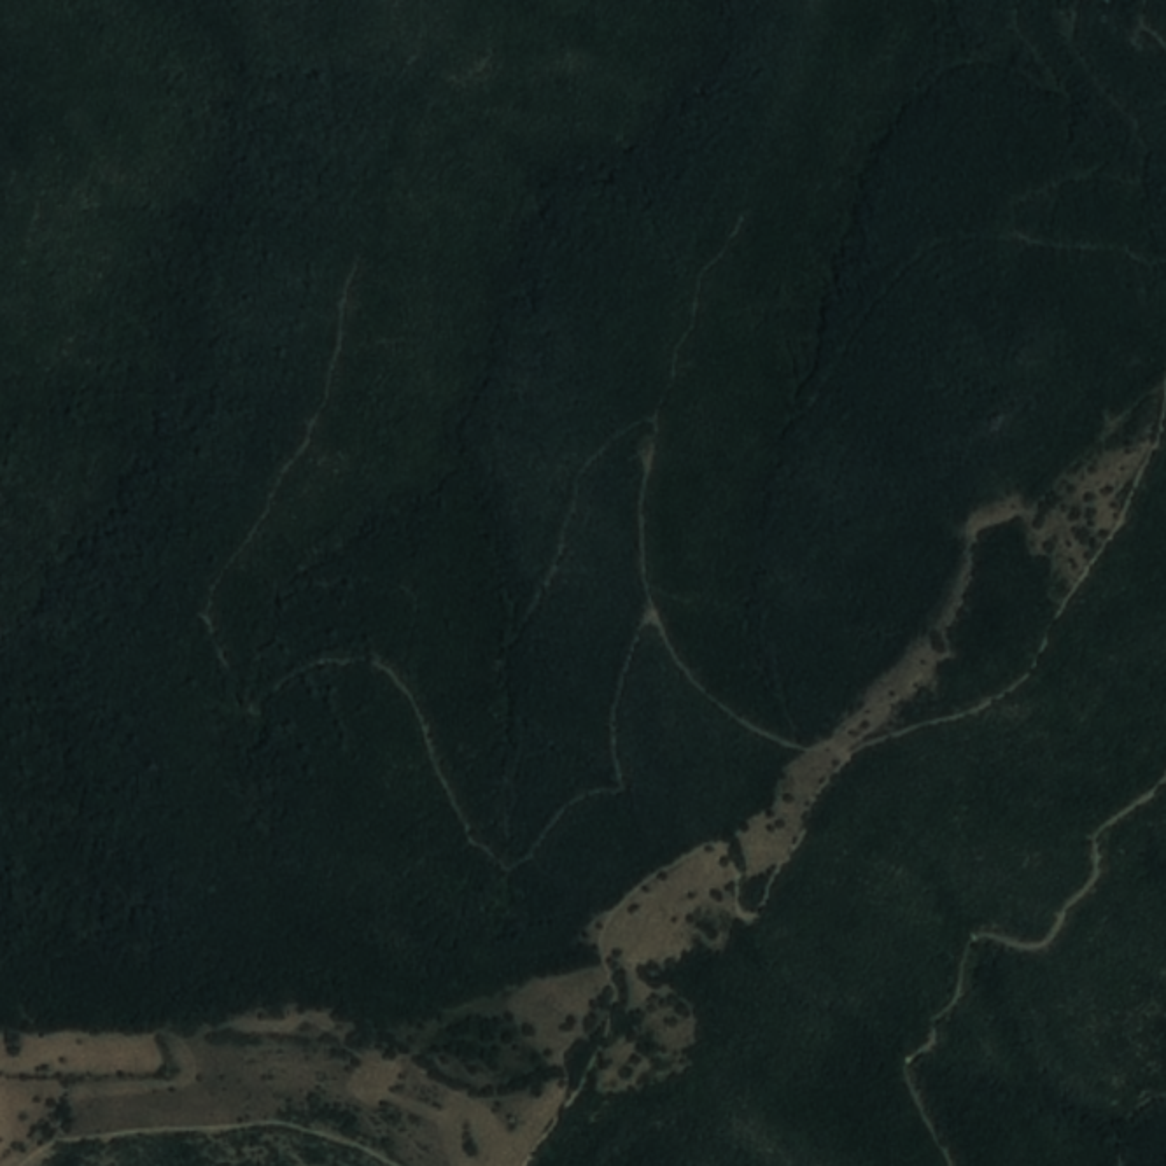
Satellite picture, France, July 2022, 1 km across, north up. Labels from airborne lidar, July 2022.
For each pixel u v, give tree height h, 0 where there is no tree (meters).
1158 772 8
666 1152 8
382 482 10
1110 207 6
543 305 10
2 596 9
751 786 8
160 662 7
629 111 10
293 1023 0
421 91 6
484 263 10
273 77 9
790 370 9
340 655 10
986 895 6
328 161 9
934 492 6
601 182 14
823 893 8
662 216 10
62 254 7
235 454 7
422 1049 0
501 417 7
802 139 9
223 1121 0
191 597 7
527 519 8
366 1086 0
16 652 6
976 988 14
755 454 9
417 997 9
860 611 6
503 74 8
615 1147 11
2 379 6
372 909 10
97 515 15
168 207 8
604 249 10
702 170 9
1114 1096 9
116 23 7
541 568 7
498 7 8
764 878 8
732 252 7
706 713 6
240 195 10
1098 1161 6
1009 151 7
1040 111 6
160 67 11
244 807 11
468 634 6
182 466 10
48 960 8
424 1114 0
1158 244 6
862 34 8
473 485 8
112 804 9
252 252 7
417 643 6
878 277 7
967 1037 12
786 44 6
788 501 7
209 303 8
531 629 6
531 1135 0
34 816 10
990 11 7
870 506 8
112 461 13
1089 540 6
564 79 6
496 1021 9
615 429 6
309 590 7
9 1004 8
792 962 7
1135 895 6
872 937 7
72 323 6
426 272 7
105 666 7
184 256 14
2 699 8
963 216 5
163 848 8
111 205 11
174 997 8
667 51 9
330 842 7
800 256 15
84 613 7
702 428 7
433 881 6
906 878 9
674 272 6
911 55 8
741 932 7
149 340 11
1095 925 10
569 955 9
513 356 6
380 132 7
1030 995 7
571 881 5
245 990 7
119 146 6
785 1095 8
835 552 7
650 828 6
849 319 5
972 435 7
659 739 5
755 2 8
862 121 9
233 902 7
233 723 12
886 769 6
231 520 6
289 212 9
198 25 16
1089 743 8
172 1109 0
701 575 8
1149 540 8
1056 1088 10
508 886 6
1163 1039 6
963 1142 7
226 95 9
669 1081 7
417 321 6
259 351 8
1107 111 8
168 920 9
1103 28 6
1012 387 8
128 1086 0
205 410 9
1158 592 8
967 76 6
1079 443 7
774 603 6
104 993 10
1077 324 6
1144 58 6
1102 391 6
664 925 0
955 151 5
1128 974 12
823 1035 9
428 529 6
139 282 15
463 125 8
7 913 11
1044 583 7
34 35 6
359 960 9
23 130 6
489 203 10
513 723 12
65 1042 0
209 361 8
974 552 6
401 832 6
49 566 15
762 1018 8
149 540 11
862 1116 7
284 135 10
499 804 8
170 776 7
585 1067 7
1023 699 6
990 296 7
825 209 12
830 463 8
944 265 6
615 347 7
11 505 14
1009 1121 11
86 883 9
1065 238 6
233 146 11
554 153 11
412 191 7
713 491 10
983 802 5
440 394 12
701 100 16
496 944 11
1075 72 6
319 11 6
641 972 7
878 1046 9
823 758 0
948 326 8
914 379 5
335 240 7
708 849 6
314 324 5
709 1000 8
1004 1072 10
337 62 9
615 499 6
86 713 11
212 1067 0
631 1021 7
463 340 10
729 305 6
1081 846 8
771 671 9
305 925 7
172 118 6
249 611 9
